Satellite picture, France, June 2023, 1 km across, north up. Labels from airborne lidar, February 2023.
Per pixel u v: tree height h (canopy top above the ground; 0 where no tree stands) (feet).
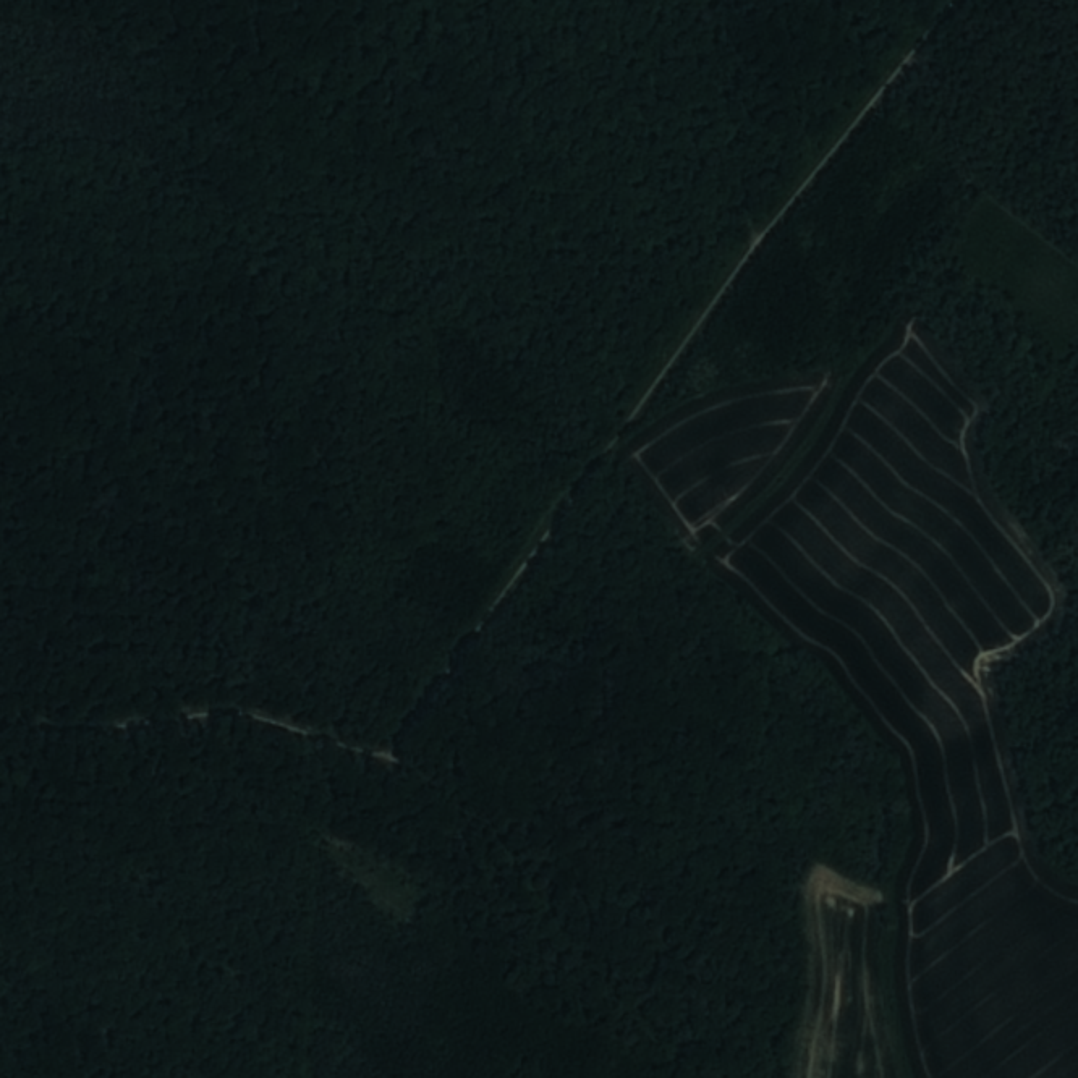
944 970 0
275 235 67
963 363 69
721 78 81
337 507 49
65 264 85
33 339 99
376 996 47
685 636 94
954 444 0
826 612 0
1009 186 60
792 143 81
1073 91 72
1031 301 0
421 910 53
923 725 0
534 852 95
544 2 75
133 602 99
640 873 99
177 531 90
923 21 82
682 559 56
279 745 85
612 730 95
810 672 61
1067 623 37
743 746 84
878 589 0
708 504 0
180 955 64
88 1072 66
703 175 93
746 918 92
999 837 0
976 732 0
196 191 79
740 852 104
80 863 68
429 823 88
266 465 82
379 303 73
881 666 0
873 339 20
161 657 98
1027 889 0
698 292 41
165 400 98
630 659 99
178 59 91
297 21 106
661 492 0
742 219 76
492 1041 43
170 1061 77
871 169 25
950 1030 0
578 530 81
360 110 87
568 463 72
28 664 88
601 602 94
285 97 86
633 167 82
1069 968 0
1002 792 0
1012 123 82
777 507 0
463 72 89
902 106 61
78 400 94
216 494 85
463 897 79
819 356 41
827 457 0
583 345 79
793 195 0
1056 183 68
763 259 44
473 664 88
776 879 80
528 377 66
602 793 90
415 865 76
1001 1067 0
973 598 0
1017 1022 0
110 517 88
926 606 0
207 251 84
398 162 85
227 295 96
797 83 83
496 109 95
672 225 65
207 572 96
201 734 82
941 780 0
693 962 94
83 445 76
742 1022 61
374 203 82
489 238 71
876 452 0
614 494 85
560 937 75
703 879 96
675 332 35
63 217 77
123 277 95
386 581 63
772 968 75
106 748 83
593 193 77
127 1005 71
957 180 59
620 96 72
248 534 95
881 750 48
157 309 95
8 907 74
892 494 0
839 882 0
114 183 74
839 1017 0
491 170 77
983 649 0
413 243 75
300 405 91
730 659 92
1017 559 0
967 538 0
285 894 63
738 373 31
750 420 0
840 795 91
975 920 0
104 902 71
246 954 69
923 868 0
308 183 81
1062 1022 0
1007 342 77
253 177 80
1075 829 73
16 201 88
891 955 0
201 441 97
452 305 73
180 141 79
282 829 79
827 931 0
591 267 72
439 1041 37
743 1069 72
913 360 0
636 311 84
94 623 97
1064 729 79
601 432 82
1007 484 49
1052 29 73
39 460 100
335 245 69
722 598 87
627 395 77
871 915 0
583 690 91
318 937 40
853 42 92
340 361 72
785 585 0
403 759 79
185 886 67
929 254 77
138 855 73
